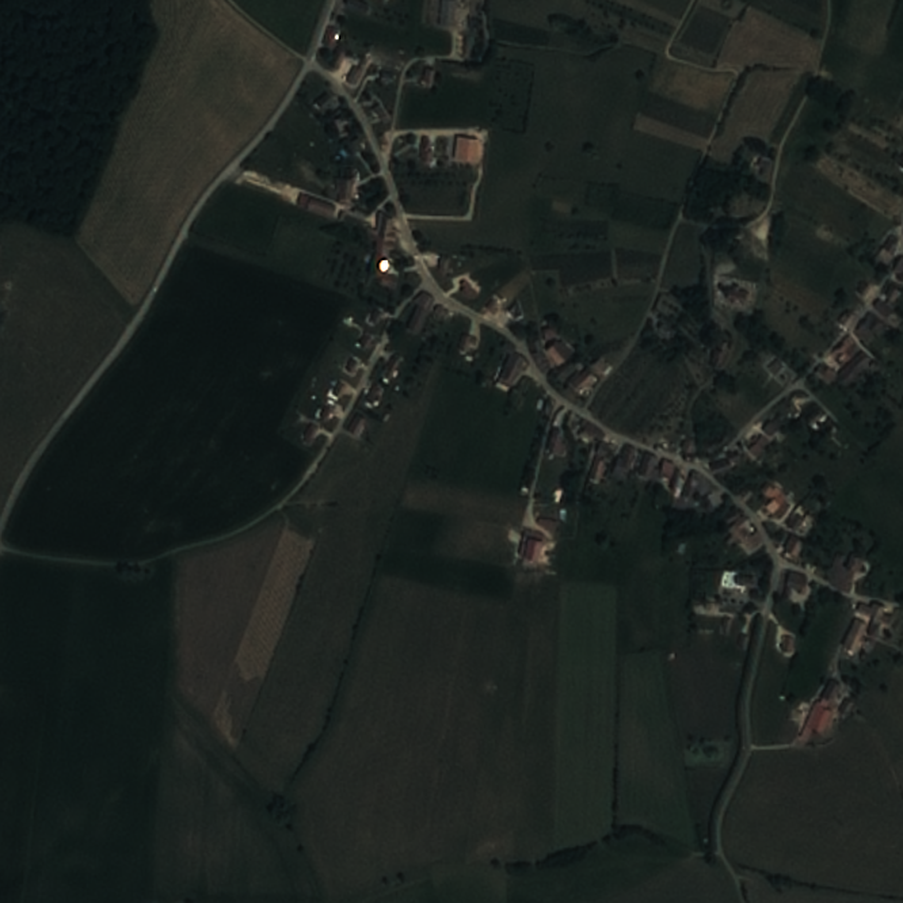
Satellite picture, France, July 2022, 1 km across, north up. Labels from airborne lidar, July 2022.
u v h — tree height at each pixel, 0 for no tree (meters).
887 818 0
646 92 0
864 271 0
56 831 0
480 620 0
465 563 0
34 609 0
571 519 0
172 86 0
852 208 0
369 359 0
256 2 0
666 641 0
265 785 0
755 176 9
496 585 0
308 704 0
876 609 0
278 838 0
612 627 0
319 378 0
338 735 0
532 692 0
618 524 0
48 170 22
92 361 0
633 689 0
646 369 0
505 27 0
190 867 0
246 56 0
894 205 0
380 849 0
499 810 0
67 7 29
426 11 0
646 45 0
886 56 0
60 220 22
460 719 0
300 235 0
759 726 0
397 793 0
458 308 0
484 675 0
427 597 0
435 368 0
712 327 14
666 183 0
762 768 0
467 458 0
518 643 0
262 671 0
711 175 11
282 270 0
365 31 0
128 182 0
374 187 7
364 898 0
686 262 0
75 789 0
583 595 0
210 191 0
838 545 6
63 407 0
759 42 0
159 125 0
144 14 24
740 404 0
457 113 0
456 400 0
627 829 8
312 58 0
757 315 13
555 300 0
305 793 0
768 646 0
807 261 0
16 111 25
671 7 0
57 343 0
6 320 0
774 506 0
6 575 0
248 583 0
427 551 0
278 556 0
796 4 0
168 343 0
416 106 0
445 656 0
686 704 0
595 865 0
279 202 0
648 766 0
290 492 0
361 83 0
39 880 0
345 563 0
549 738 0
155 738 0
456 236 0
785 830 0
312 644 0
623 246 0
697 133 0
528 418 0
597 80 0
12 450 0
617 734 0
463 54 0
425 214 0
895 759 0
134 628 0
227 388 0
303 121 0
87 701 0
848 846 0
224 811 0
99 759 0
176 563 0
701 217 5
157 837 0
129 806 0
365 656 0
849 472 0
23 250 0
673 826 0
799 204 0
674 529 13
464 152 0
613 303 0
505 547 0
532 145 0
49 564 0
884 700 0
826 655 0
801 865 0
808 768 0
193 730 0
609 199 0
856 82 0
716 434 7
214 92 0
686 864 0
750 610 9
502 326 0
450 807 0
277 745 0
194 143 0
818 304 0
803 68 0
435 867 0
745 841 0
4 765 0
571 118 0
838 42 0
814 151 13
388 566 0
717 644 0
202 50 0
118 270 0
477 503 0
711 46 0
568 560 0
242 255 0
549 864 7
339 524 0
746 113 0
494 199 0
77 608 0
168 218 0
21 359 0
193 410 0
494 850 0
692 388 7
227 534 0
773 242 14
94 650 0
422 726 0
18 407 0
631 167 0
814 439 7
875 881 0
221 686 0
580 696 0
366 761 0
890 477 0
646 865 0
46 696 0
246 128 0
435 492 0
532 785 0
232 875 0
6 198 24
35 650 0
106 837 0
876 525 0
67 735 0
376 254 0
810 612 9
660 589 0
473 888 0
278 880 0
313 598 0
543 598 0
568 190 0
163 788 0
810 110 0
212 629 0
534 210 0
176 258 0
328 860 0
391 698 0
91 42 29
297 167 0
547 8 0
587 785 0
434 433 0
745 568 7
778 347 7
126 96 14
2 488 0
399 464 0
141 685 0
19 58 27
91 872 0
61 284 0
